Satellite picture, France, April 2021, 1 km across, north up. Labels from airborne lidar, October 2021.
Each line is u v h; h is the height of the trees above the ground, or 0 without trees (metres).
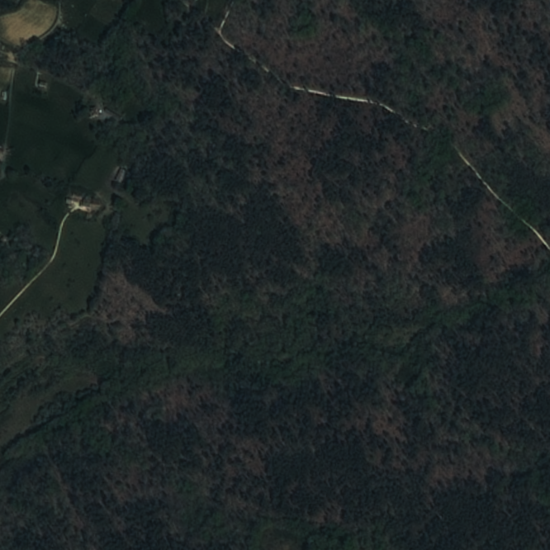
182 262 19
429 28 7
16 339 13
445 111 9
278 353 23
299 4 17
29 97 0
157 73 22
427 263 29
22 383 18
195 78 20
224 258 24
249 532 14
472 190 7
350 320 15
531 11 14
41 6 0
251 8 14
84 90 17
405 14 30
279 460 16
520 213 16
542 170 14
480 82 15
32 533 20
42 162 0
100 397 20
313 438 9
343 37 7
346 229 21
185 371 15
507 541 26
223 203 15
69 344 19
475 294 30
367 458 16
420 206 16
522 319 16
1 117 0
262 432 27
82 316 12
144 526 25
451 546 21
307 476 18
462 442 17
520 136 15
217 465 12
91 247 0
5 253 14
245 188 23
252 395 21
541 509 22
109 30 12
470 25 11
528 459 14
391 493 18
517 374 27
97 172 0
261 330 20
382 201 19
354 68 9
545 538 12
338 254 12
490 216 19
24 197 0
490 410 24
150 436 29
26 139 0
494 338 21
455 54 15
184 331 28
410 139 18
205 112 27
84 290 0
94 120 0
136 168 14
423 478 12
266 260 22
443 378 16
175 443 30
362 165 15
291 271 22
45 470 22
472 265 22
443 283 8
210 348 28
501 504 25
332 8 12
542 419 28
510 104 21
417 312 14
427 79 16
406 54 18
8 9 18
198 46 17
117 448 21
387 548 20
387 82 23
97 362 13
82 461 17
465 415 20
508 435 18
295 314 21
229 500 17
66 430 22
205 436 8
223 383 10
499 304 22
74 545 15
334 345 13
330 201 21
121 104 18
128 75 26
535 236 8
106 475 26
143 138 21
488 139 24
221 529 18
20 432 0
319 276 17
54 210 0
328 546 25
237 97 18
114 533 19
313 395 25
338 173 24
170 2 10
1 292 0
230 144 26
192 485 16
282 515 19
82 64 19
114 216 10
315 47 10
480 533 17
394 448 10
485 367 25
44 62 14
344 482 16
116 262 21
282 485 17
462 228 15
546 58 20
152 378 21
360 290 14
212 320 18
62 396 13
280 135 10
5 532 13
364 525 15
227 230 16
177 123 19
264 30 14
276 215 23
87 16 0
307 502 21
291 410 30
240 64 25
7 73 0
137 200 18
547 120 14
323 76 8
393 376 18
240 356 15
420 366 13
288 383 25
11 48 0
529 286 29
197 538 17
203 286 13
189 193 21
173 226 7
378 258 12
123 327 18
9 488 11
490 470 11
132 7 16
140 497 8
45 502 21
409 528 24
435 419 19
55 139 0
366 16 17
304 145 9
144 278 22
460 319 23
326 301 24
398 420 11
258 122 13
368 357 27
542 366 18
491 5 25
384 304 14
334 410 7
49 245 0
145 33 16
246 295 17
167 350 11
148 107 21
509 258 7
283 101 9
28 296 0
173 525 21
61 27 0
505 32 10
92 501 25
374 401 28
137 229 0
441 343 10
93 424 18
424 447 18
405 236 5
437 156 25
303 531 15
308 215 13
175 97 12
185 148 19
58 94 0
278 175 9
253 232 22
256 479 7
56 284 0
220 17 10
